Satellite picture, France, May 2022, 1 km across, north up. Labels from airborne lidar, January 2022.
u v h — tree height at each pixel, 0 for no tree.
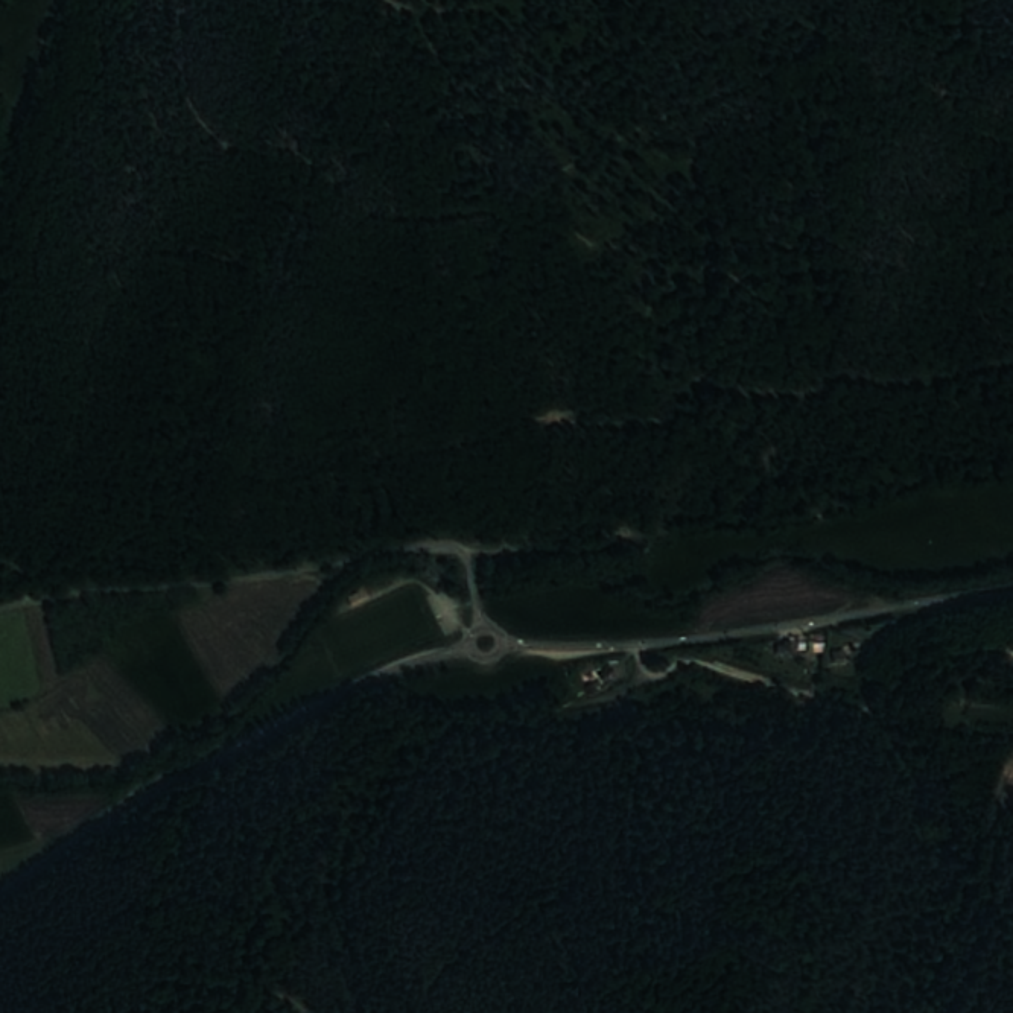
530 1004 20
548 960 22
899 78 18
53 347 14
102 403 15
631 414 27
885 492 21
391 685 21
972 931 30
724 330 33
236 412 20
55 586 23
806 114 31
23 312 19
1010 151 19
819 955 31
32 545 21
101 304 13
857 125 21
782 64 35
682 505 13
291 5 23
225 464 22
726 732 32
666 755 34
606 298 23
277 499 14
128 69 18
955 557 0
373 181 18
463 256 25
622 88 11
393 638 0
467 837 36
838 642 0
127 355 18
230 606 0
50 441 19
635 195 25
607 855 39
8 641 0
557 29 28
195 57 19
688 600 7
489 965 24
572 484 21
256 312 22
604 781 29
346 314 19
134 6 17
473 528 12
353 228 18
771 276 31
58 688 0
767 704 15
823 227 27
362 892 28
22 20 0
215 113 11
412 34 18
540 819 29
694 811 40
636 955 25
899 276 17
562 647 0
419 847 31
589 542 22
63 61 23
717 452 32
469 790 26
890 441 17
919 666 19
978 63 23
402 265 22
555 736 32
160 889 28
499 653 0
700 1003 16
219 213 19
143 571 24
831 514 12
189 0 24
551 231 30
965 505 0
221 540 17
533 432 26
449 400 22
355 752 28
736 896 25
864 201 18
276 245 25
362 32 17
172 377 25
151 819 22
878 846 29
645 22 16
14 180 19
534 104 31
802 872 30
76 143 18
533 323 21
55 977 19
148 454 22
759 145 29
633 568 23
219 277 21
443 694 0
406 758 25
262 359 14
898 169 13
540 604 0
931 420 22
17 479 16
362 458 16
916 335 18
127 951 24
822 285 28
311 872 29
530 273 29
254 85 20
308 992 25
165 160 11
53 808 0
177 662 0
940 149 18
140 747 0
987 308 18
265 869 30
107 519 19
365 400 20
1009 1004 29
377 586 0
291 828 30
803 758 33
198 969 26
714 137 27
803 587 0
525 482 22
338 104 24
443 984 24
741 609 0
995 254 20
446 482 17
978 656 32
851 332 16
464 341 24
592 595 0
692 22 25
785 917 19
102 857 25
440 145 22
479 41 35
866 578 22
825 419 16
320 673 0
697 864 36
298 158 11
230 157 16
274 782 29
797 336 29
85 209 20
